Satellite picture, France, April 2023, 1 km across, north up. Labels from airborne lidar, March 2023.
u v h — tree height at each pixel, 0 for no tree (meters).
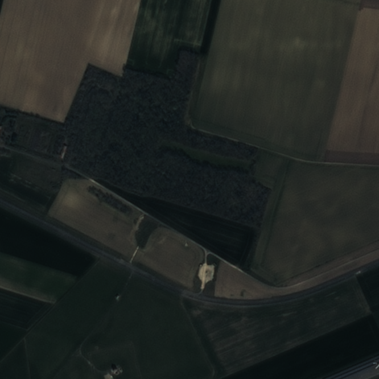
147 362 0
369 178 0
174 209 0
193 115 0
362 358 0
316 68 0
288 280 0
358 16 0
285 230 0
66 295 0
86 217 0
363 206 0
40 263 0
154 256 0
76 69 0
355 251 0
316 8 0
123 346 0
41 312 0
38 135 0
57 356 0
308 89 0
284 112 0
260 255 0
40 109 0
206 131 0
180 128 24
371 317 0
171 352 0
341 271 0
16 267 0
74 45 0
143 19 0
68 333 0
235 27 0
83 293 0
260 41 0
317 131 0
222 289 0
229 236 0
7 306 0
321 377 0
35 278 0
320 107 0
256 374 0
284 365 0
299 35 0
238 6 0
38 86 0
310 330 0
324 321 0
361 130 0
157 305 0
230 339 0
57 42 0
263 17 0
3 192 0
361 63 0
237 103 0
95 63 0
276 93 0
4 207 0
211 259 0
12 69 0
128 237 0
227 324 0
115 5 0
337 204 0
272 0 0
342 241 0
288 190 0
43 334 0
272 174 0
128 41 0
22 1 0
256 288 0
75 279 0
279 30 0
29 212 0
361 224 0
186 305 0
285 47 0
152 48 0
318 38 0
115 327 0
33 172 0
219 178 20
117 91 22
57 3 0
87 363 0
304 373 0
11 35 0
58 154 9
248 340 0
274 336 0
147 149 24
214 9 0
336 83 0
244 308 0
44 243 0
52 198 0
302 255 0
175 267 0
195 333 0
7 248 0
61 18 0
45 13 0
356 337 0
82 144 15
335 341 0
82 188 0
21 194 0
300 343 0
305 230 0
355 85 0
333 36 0
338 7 0
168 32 0
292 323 0
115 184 17
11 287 0
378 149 0
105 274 0
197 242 0
